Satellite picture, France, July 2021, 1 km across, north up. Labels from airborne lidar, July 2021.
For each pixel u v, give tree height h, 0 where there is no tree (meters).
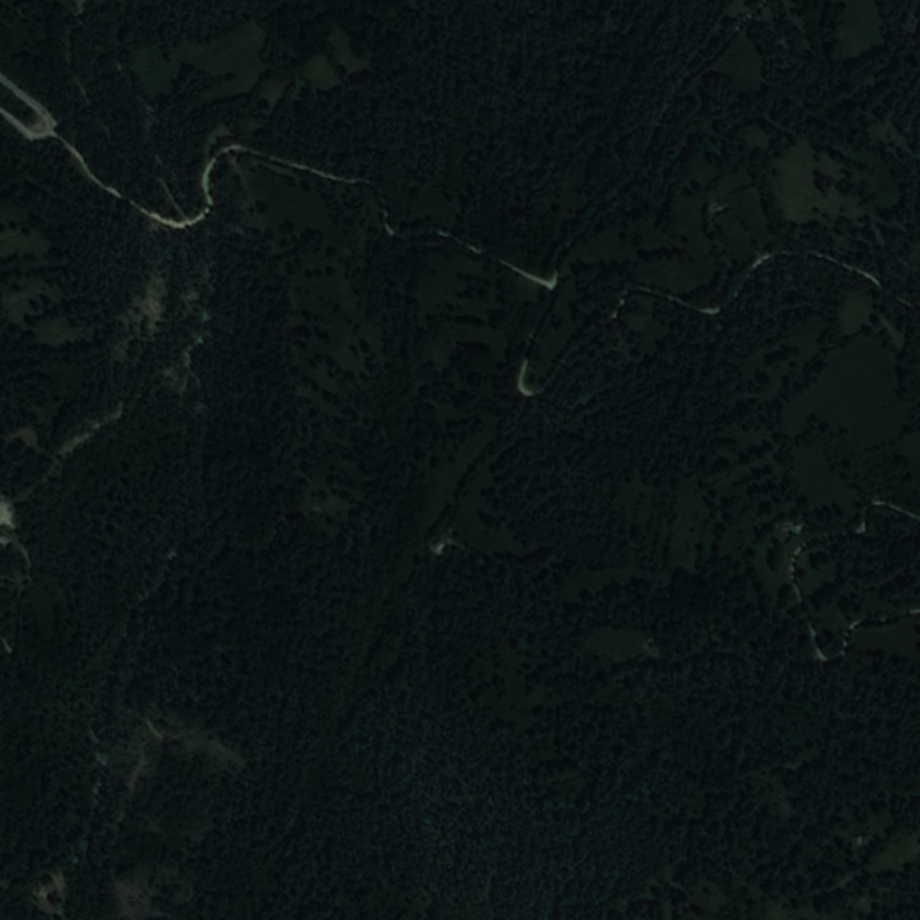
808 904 9
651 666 24
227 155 11
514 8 10
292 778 13
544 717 12
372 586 20
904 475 8
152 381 14
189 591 17
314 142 18
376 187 11
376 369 27
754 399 8
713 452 8
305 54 13
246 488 16
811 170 0
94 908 16
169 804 11
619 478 7
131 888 0
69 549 12
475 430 10
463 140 20
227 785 18
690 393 11
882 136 0
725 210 7
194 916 11
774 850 20
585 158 11
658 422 11
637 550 10
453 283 0
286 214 0
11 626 12
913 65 27
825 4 10
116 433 10
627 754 26
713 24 17
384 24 29
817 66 21
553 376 7
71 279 12
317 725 9
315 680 24
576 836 11
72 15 9
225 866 19
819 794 21
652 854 23
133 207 28
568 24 22
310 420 9
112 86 17
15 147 15
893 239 30
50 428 6
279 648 25
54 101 18
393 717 24
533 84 26
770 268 8
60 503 21
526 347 9
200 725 6
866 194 15
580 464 17
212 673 19
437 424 15
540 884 18
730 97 24
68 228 21
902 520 12
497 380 10
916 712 14
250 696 25
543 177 25
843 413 0
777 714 7
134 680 8
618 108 9
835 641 26
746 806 14
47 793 21
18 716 9
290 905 21
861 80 16
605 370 6
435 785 9
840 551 21
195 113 8
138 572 10
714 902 0
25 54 17
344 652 25
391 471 17
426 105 18
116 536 23
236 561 25
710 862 22
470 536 0
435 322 16
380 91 10
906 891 17
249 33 0
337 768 16
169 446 7
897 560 19
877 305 10
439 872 17
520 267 7
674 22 17
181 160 15
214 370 19
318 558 15
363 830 24
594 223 15
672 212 16
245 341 11
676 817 8
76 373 0
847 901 21
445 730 21
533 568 9
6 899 10
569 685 15
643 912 22
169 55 12
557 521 15
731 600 14
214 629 9
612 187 15
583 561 11
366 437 15
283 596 15
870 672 8
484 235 16
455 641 14
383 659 18
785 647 20
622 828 23
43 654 10
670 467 12
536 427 8
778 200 13
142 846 13
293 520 17
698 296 13
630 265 12
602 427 12
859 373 0
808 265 20
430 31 15
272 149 11
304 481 17
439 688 13
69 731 10
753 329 27
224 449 17
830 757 23
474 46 16
